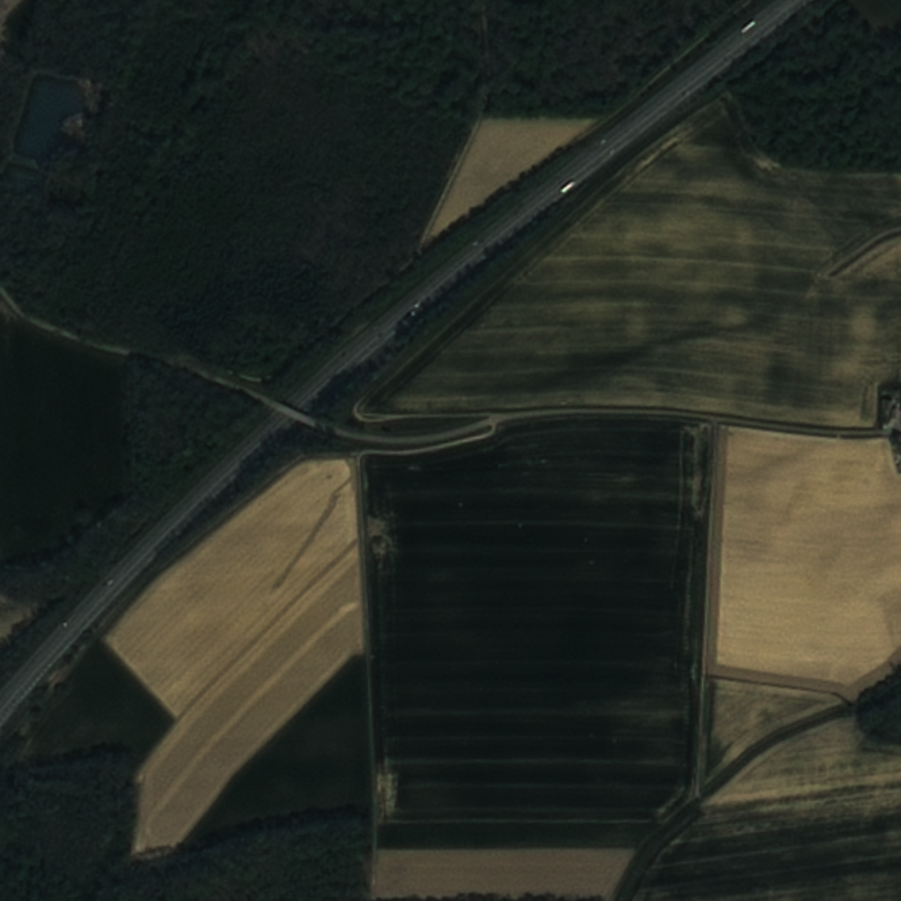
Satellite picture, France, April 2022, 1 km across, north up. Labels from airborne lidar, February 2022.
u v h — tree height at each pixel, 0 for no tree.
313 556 0
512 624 0
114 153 10
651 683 0
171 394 24
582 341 0
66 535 0
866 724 20
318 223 20
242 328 23
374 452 0
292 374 21
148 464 25
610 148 0
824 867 0
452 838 0
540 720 0
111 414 0
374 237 22
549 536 0
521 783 0
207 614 0
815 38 23
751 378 0
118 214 18
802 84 28
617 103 17
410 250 22
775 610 0
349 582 0
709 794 0
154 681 0
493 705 0
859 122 27
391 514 0
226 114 14
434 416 0
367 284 22
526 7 27
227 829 0
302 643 0
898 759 0
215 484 0
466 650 0
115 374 0
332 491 0
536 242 0
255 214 17
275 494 0
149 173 16
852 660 0
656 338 0
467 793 0
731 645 0
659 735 0
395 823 0
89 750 0
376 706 0
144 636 0
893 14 0
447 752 0
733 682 0
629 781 0
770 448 0
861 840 0
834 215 0
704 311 0
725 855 0
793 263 0
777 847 0
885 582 0
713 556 0
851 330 0
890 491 0
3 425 0
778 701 0
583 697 0
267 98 18
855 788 0
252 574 0
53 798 23
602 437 0
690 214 0
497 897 0
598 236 0
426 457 0
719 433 0
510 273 0
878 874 0
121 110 14
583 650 0
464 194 0
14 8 0
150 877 28
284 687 0
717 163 0
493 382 0
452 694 0
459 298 16
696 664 0
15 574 20
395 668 0
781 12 0
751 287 0
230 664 0
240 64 24
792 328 0
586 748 0
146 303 17
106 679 0
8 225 24
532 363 0
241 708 0
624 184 0
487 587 0
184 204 14
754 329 0
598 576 0
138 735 0
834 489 0
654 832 0
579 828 0
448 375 0
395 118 16
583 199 0
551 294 0
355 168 20
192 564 0
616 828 0
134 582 0
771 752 0
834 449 0
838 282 0
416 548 0
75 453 0
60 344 0
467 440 0
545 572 0
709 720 0
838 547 0
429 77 25
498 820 0
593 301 0
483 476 0
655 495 0
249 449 0
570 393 0
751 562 0
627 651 0
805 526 0
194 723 0
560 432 0
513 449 0
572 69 24
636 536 0
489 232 0
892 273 0
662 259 0
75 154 23
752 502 0
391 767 0
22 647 17
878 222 0
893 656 0
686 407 0
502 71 27
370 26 26
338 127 17
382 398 0
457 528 0
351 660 0
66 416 0
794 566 0
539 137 0
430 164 15
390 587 0
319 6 27
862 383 0
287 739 0
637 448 0
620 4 26
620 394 0
